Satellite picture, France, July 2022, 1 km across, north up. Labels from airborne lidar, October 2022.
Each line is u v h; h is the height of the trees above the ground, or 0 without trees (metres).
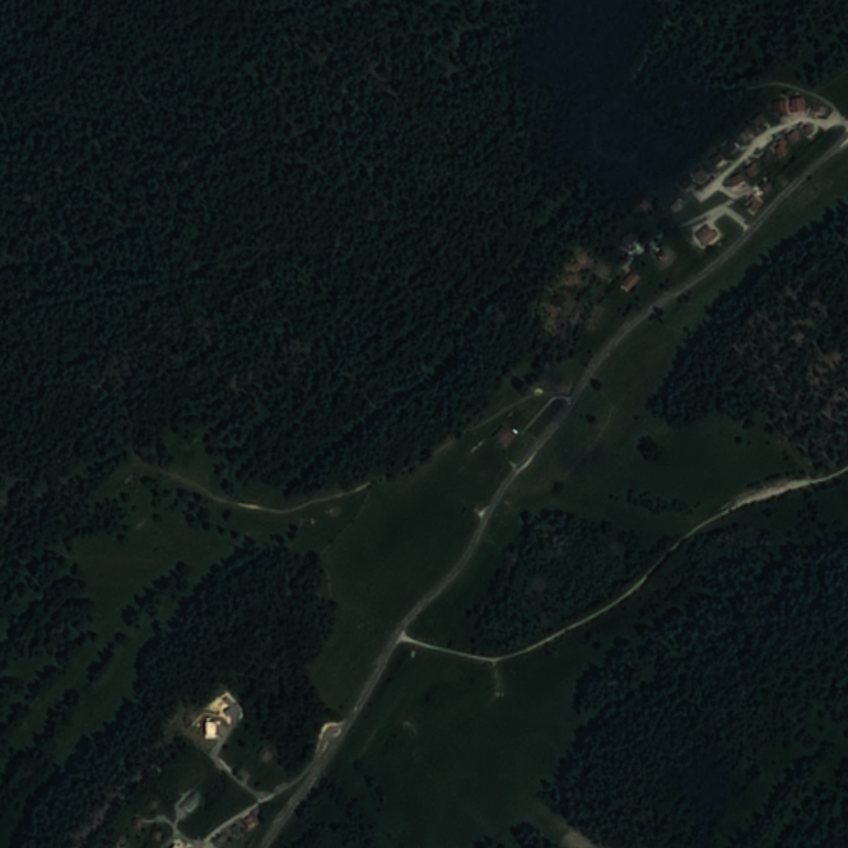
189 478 0
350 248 26
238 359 21
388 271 33
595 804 13
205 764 0
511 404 0
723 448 0
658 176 25
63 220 34
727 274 0
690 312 0
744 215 0
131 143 21
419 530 0
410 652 0
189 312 15
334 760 0
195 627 21
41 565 35
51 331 30
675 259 0
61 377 28
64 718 23
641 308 7
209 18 25
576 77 16
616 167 13
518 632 16
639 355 0
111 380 19
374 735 0
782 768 0
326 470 28
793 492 10
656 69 19
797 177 0
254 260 16
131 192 22
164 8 19
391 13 23
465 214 19
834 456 26
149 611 25
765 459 0
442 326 23
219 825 0
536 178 23
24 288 24
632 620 0
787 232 0
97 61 14
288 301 19
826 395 13
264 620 19
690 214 0
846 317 18
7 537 14
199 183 21
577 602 12
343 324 26
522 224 24
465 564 0
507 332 19
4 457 14
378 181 15
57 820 27
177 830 0
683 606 0
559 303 9
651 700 26
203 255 12
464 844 0
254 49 11
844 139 0
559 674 0
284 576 20
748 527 12
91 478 8
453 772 0
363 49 23
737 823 0
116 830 7
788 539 0
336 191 19
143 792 21
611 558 8
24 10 26
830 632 15
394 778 0
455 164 27
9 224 23
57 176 20
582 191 28
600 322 0
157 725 19
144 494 0
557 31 15
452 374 30
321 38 22
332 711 9
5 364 23
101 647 0
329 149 29
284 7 18
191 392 20
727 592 34
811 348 14
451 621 0
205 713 0
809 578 16
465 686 0
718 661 24
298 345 28
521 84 19
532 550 16
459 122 23
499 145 21
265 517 0
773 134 0
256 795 0
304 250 22
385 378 23
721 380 18
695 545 15
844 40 23
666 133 16
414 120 27
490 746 0
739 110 12
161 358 27
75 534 8
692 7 23
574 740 0
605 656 0
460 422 10
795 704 21
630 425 0
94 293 19
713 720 24
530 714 0
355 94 34
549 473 0
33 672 0
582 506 0
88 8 20
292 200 16
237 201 20
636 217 9
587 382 0
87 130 27
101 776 33
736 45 13
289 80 19
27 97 24
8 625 0
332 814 0
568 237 13
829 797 8
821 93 0
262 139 24
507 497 0
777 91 0
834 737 0
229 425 31
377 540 0
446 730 0
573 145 15
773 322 16
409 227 13
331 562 0
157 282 23
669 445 0
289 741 19
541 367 22
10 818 0
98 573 0
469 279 28
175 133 26
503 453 0
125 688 0
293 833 0
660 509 8
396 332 32
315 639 20
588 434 0
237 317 13
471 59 30
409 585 0
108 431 28
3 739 19
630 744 27
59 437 21
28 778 7
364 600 0
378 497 0
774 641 24
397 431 19
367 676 0
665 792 18
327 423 17
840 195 0
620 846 9
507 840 0
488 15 21
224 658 20
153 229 30
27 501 22
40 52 21
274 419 10
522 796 0
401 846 9
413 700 0
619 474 0
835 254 20
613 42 25
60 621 29
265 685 19
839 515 0
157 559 0
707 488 0
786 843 21
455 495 0
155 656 24
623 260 6
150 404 22
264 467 18
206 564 0
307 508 0
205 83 23
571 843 0
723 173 0
